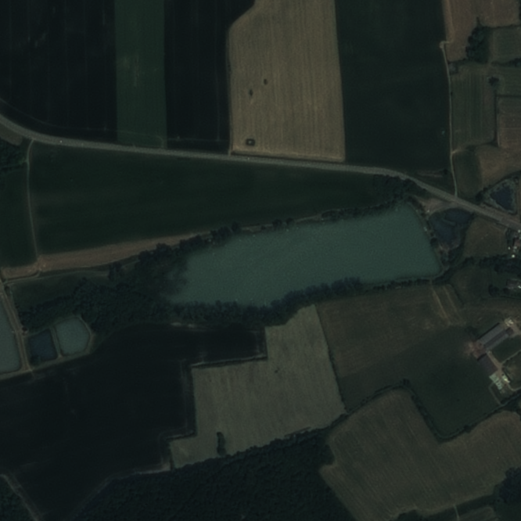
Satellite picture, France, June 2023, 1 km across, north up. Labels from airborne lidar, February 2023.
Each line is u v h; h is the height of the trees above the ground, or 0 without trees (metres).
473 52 19
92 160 0
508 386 0
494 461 0
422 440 0
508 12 0
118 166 0
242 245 0
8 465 0
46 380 0
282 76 0
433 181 0
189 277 0
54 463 0
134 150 0
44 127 0
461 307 0
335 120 0
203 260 0
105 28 0
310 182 0
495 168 0
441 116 0
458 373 0
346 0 0
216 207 0
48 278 0
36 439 0
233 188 0
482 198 15
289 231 0
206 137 0
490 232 0
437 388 0
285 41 0
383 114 0
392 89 0
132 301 24
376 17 0
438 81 0
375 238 0
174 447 0
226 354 0
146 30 0
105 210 0
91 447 0
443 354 0
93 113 0
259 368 0
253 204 0
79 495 0
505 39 0
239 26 0
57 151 0
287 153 0
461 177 0
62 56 0
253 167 0
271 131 0
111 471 0
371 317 0
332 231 0
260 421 0
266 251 0
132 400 0
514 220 0
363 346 0
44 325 22
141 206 0
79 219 0
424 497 0
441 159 0
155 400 0
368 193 0
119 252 0
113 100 0
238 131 0
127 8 0
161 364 0
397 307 0
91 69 0
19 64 0
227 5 0
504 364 0
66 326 0
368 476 0
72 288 0
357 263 0
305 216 0
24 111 0
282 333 0
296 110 0
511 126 0
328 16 0
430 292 0
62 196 0
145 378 0
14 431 0
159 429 0
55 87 0
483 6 0
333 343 0
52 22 0
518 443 0
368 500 0
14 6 0
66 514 0
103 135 0
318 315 0
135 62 0
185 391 0
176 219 0
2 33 0
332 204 0
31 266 0
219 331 0
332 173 0
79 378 0
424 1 0
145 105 0
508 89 0
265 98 0
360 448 0
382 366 0
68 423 0
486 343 0
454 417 0
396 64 0
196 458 0
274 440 0
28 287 0
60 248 0
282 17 0
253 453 7
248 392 0
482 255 0
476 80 0
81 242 0
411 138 0
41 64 0
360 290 28
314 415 0
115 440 0
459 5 0
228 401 0
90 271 0
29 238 0
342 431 0
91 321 20
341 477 0
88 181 0
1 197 0
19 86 0
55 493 0
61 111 0
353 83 0
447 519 0
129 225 0
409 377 0
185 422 0
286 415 0
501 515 0
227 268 0
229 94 0
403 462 0
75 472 0
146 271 6
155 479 20
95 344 0
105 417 0
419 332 0
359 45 0
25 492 0
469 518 0
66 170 0
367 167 0
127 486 21
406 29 0
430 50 0
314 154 0
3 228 0
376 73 0
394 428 0
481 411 0
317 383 0
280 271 0
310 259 0
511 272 9
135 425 0
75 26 0
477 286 0
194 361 0
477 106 0
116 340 0
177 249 6
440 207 0
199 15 0
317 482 16
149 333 0
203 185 0
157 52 0
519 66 16
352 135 0
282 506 21
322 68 0
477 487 0
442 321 0
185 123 0
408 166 0
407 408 0
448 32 0
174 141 0
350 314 0
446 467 0
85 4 0
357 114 0
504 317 0
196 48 0
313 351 0
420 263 0
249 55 0
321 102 0
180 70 0
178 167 0
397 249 0
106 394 0
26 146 0
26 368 0
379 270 0
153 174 0
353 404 0
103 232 0
